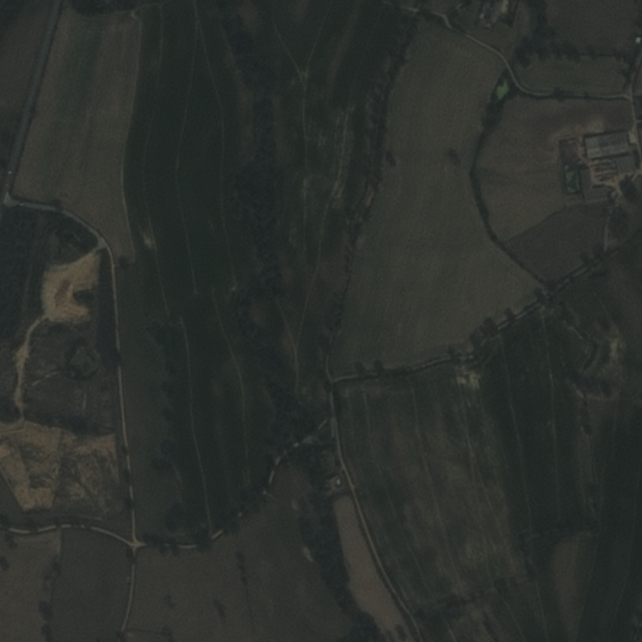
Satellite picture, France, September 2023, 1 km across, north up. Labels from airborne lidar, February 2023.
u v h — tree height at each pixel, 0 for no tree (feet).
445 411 0
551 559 0
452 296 0
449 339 0
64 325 0
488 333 33
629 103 0
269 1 0
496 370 0
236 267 0
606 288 0
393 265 0
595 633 0
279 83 0
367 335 0
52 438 0
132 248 0
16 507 0
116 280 0
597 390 49
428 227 0
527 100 0
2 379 0
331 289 0
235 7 0
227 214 0
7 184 0
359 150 0
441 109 0
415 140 0
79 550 0
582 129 0
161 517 0
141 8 0
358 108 0
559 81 0
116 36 0
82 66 0
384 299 0
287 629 0
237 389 0
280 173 0
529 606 0
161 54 0
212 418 0
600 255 58
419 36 0
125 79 0
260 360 59
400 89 0
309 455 53
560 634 0
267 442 49
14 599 0
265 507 0
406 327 0
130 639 0
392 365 0
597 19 0
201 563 0
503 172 0
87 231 26
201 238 0
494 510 0
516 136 0
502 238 0
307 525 66
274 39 0
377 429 0
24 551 0
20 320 0
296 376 0
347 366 0
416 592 0
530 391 0
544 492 0
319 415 0
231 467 0
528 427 0
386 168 0
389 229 0
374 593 0
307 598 0
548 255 0
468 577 0
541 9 66
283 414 22
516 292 0
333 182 0
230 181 0
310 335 0
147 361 0
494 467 0
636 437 0
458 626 0
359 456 0
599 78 0
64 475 0
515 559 0
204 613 0
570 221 0
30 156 0
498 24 0
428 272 0
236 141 0
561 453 0
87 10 43
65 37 0
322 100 0
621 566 0
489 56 0
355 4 0
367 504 0
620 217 61
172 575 0
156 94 0
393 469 0
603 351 0
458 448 0
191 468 0
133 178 0
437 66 0
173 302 0
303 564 0
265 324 0
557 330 0
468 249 0
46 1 0
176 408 0
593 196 0
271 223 19
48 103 0
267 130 63
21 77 0
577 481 0
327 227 0
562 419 0
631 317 0
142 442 0
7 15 71
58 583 0
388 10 0
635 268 0
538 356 0
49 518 0
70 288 0
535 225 0
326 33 0
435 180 0
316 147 0
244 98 0
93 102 0
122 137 0
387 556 0
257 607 0
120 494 0
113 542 0
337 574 73
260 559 0
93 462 0
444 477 0
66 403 0
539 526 0
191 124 0
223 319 0
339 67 0
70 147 0
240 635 0
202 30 0
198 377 0
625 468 0
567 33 0
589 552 0
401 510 0
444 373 0
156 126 0
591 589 0
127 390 0
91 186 0
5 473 0
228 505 0
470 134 0
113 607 0
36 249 0
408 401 0
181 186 0
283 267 0
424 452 0
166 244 0
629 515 0
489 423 0
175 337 0
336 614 0
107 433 0
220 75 0
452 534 0
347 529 0
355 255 0
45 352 0
